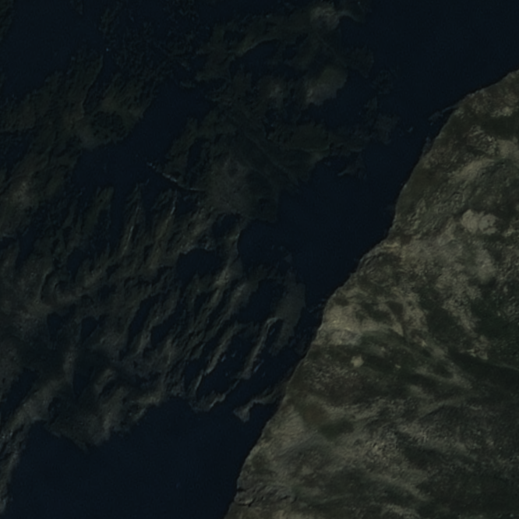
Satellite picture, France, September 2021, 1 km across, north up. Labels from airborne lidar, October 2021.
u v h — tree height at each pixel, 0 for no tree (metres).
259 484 0
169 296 0
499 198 0
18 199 0
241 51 0
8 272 0
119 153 0
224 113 0
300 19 0
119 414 0
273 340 0
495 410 0
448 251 0
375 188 0
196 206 0
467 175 0
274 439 0
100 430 0
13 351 0
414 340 0
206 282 0
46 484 0
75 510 0
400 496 0
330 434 0
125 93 0
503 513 0
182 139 0
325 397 0
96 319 0
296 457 0
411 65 0
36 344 0
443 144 0
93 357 0
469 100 0
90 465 0
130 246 0
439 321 0
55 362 0
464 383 0
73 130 0
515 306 0
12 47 7
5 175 0
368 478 0
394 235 0
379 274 0
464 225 0
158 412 0
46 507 0
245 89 0
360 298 0
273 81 0
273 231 0
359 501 0
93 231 0
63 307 0
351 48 0
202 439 0
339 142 0
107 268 0
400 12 0
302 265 0
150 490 0
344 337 0
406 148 0
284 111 0
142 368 0
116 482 0
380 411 0
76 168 0
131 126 0
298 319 0
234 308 0
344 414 0
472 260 0
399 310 0
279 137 0
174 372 0
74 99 0
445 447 0
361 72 0
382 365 0
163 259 0
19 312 0
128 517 0
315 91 0
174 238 0
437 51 0
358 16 0
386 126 0
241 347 0
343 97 0
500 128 0
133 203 0
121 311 0
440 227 0
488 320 0
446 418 0
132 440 0
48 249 0
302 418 0
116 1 8
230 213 0
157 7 9
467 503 0
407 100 0
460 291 0
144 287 0
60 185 0
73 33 6
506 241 0
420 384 0
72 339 0
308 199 0
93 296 0
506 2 0
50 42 17
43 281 0
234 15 0
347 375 0
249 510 0
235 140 0
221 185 0
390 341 0
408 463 0
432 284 0
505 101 0
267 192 0
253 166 0
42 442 0
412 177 0
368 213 0
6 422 0
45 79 11
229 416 0
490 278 0
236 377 0
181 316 0
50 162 0
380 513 0
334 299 0
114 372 0
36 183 0
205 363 0
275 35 0
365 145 0
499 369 0
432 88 0
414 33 0
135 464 0
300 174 0
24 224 0
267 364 0
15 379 0
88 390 0
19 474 0
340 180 0
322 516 0
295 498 0
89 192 8
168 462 0
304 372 0
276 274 0
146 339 0
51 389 0
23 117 0
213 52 0
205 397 0
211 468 0
